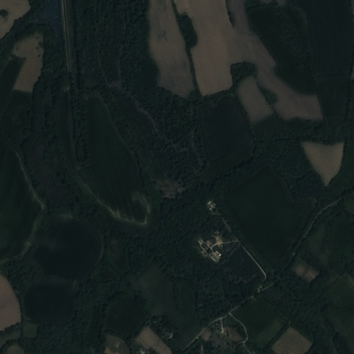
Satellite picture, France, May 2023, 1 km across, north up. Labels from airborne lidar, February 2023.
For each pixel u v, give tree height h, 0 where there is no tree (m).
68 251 0
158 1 0
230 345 9
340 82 0
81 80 21
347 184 0
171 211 22
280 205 0
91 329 0
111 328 0
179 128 14
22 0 0
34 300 0
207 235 6
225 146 0
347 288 0
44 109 0
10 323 0
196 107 12
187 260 7
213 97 6
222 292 8
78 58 19
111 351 0
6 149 0
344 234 0
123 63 15
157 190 17
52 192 0
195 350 9
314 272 0
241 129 0
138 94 17
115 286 17
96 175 0
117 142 0
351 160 0
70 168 0
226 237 9
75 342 11
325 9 0
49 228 0
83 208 8
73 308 0
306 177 19
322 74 0
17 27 18
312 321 12
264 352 7
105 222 0
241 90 0
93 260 0
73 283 0
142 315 0
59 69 12
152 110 16
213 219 12
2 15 15
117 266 0
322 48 0
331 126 0
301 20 0
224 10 0
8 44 12
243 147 0
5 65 0
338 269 0
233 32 0
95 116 0
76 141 17
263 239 0
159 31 0
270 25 0
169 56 0
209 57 0
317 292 20
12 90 0
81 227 0
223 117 0
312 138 6
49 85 7
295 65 0
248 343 6
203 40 0
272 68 0
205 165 19
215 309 14
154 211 0
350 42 0
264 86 0
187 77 0
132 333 0
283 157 12
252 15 0
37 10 15
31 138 21
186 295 0
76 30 21
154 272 0
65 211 0
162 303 0
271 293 11
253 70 7
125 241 12
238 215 0
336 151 0
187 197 23
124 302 0
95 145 0
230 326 6
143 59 19
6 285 0
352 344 0
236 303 30
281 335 5
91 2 20
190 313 0
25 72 0
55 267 0
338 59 0
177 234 19
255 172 14
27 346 9
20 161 0
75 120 16
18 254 0
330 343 7
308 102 0
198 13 0
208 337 0
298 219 0
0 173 0
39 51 0
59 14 0
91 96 0
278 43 0
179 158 18
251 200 0
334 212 11
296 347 0
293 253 8
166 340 9
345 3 0
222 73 0
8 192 0
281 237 0
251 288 19
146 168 19
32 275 7
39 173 0
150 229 0
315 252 0
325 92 0
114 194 0
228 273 6
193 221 16
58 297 0
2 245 0
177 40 0
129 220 0
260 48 0
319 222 9
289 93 0
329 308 9
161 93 16
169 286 0
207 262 9
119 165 0
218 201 16
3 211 0
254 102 0
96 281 8
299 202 0
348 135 9
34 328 0
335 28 0
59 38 0
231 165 0
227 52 0
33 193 0
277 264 0
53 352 12
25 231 0
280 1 0
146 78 14
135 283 0
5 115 0
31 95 0
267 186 0
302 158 20
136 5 19
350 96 8
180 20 12
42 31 18
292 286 20
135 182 0
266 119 0
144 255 16
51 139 9
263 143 11
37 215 0
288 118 0
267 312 0
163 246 19
